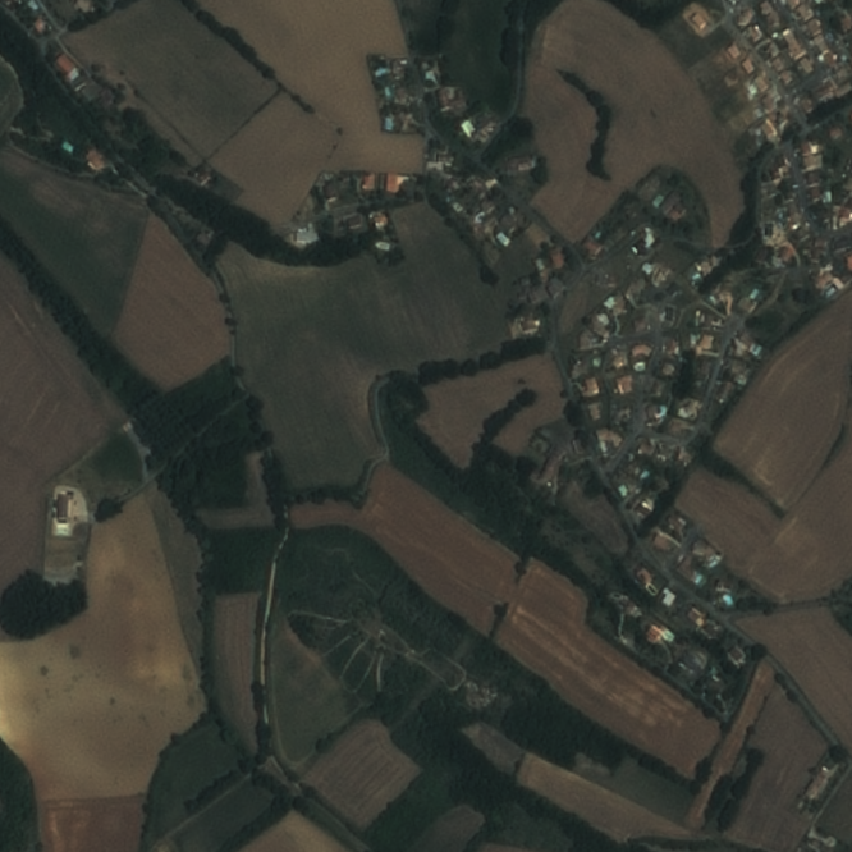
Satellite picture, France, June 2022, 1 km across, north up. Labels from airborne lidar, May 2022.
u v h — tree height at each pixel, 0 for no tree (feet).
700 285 25
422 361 0
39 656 0
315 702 0
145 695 0
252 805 0
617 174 0
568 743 44
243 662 0
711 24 0
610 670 0
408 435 33
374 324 0
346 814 0
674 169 0
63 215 0
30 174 0
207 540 27
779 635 0
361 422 0
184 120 0
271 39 0
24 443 0
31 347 0
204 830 0
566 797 0
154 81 0
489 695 0
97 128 20
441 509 0
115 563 0
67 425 0
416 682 29
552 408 0
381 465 0
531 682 23
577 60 0
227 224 56
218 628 0
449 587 0
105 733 0
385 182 0
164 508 0
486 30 0
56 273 0
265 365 0
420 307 0
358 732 0
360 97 0
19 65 38
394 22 0
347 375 0
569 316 0
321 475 0
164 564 0
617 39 0
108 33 0
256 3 0
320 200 18
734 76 0
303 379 0
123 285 0
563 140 0
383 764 0
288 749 0
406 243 0
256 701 39
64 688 0
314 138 0
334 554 0
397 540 0
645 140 0
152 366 0
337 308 0
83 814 0
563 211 0
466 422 0
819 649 0
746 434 0
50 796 0
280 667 0
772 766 0
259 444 43
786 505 0
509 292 0
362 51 0
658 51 0
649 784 0
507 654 35
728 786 45
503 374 0
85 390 0
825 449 0
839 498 0
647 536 30
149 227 0
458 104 0
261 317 0
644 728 0
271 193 0
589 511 0
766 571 0
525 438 0
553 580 0
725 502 0
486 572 0
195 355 0
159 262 0
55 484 0
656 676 31
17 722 0
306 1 0
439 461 54
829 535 0
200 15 39
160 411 91
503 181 41
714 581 0
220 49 0
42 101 27
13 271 0
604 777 0
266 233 51
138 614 0
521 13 46
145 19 0
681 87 0
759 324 28
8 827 29
